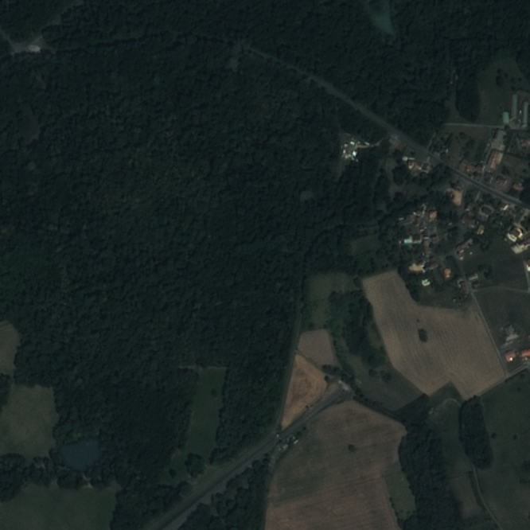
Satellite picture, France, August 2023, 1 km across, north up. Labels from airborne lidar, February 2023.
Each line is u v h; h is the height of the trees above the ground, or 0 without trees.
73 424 24
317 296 0
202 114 25
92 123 28
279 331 25
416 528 17
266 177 35
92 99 28
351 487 0
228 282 32
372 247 0
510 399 0
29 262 27
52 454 10
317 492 0
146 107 25
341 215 14
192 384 21
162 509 12
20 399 0
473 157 0
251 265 29
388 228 10
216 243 23
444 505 20
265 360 23
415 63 17
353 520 0
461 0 12
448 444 0
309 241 25
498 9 26
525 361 0
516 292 0
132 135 21
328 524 0
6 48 17
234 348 22
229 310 24
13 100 29
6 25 25
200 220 22
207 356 23
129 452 24
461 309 0
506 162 0
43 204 20
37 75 34
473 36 16
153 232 22
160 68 27
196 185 24
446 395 0
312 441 0
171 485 0
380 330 0
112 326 18
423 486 13
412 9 18
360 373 0
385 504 0
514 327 0
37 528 0
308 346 0
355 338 11
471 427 20
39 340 18
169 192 18
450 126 0
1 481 18
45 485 24
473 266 0
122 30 20
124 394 30
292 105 26
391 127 0
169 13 19
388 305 0
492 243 6
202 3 25
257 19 20
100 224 16
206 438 0
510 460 0
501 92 0
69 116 28
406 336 0
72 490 17
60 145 24
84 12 8
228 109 21
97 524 0
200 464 22
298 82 17
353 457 0
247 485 0
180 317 28
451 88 12
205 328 28
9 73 24
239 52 28
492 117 0
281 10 24
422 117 23
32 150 19
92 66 31
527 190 15
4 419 0
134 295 21
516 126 0
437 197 11
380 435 0
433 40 16
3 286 22
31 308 21
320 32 25
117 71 27
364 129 7
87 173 26
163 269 30
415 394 0
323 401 0
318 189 25
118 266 14
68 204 14
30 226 15
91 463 0
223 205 23
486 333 0
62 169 23
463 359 0
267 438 0
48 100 26
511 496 0
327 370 12
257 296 25
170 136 30
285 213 24
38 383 22
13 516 0
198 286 25
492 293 0
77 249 30
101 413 24
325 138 25
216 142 27
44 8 23
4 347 0
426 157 0
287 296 24
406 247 6
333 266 16
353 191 24
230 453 17
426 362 0
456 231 11
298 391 0
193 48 24
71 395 26
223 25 21
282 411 0
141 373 25
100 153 23
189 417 15
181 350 21
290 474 0
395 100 8
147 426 24
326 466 0
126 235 24
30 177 26
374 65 24
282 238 30
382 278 0
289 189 28
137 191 19
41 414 0
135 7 20
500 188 0
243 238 24
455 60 8
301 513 0
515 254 0
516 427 0
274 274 19
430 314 0
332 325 8
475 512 0
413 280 19
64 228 28
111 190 21
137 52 30
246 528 21
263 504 18
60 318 30
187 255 26
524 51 18
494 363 0
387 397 0
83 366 27
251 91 20
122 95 27
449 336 0
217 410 0
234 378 20
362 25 20
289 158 27
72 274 30
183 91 12
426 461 14
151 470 24
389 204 13
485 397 0
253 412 28
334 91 0
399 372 0
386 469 0
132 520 25
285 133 12
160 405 24
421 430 6
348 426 0
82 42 28
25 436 0
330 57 27
